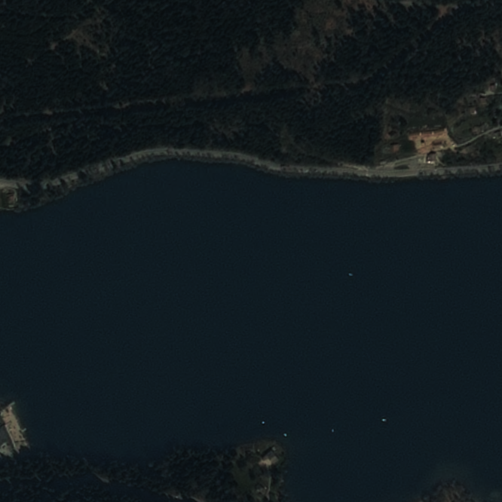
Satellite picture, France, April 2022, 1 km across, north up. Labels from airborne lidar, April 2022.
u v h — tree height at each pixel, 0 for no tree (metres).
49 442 0
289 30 26
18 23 15
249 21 27
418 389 0
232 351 0
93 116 22
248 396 0
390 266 0
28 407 0
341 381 0
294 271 0
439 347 0
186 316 0
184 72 30
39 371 0
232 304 0
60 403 0
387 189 0
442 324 0
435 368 0
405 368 0
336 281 0
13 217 0
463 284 0
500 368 0
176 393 0
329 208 0
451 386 0
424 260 0
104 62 14
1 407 9
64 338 0
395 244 0
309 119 33
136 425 0
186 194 0
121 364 0
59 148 18
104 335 0
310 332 0
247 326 0
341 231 0
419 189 0
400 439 0
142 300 0
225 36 25
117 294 0
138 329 0
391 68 30
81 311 0
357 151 27
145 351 0
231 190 0
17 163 19
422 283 0
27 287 0
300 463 0
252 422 0
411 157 0
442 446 0
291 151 12
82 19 17
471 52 26
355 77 27
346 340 0
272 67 19
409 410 0
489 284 0
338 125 31
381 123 31
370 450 0
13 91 20
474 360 0
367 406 0
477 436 0
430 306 0
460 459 0
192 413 0
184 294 0
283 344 0
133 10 18
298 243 0
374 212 0
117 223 0
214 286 0
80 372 0
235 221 0
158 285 0
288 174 13
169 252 0
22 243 0
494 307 0
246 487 0
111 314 0
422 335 0
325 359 0
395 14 20
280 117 31
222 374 0
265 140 32
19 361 0
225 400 0
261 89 13
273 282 0
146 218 0
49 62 15
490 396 0
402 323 0
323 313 0
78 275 0
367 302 0
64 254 0
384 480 0
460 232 0
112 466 32
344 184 0
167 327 0
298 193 0
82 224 0
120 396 0
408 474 0
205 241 0
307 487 0
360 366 0
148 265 0
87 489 26
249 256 0
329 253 0
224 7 28
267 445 0
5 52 16
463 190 0
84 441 0
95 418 0
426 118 0
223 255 0
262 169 11
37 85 16
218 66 29
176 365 0
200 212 0
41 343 0
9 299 0
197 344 0
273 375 0
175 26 26
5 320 0
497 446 0
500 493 0
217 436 0
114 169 23
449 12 11
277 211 0
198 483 22
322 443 0
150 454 0
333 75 27
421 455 0
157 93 32
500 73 16
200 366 0
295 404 0
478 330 0
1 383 0
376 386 0
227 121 28
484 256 0
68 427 0
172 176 0
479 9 31
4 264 0
